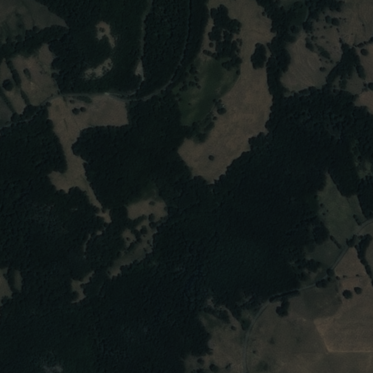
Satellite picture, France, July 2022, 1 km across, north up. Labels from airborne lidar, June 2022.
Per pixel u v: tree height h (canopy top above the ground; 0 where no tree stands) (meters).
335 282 0
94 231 13
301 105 17
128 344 10
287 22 18
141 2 16
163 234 16
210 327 0
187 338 11
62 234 11
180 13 18
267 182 25
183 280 10
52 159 15
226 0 0
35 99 0
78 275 21
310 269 13
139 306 12
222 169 0
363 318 0
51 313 18
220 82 0
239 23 13
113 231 19
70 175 0
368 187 26
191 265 8
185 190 19
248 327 0
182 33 17
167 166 16
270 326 0
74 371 9
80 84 24
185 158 0
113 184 23
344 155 21
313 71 0
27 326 20
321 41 0
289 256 14
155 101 15
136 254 0
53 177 0
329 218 0
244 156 17
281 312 19
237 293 15
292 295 19
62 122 0
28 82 0
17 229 15
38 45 20
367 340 0
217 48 9
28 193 24
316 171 16
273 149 18
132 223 17
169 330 9
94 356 20
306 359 0
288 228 22
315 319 0
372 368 0
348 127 15
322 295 0
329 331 0
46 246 29
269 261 22
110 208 17
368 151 16
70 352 15
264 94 0
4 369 22
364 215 10
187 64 9
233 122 0
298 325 0
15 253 18
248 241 18
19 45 18
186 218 19
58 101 0
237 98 0
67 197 15
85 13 13
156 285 13
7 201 29
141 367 10
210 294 8
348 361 0
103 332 11
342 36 0
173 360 17
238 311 8
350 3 0
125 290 15
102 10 13
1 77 0
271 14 16
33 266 25
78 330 16
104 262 13
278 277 21
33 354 14
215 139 0
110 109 0
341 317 0
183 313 9
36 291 14
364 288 0
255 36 0
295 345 0
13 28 0
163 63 16
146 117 19
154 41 17
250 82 0
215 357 0
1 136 6
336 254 0
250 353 0
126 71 18
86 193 8
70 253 22
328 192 0
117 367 7
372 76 0
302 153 29
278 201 31
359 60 14
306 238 18
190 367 0
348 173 18
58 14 14
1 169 23
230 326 0
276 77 20
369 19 0
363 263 12
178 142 20
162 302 18
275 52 15
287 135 26
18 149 24
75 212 14
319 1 10
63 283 6
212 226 24
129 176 24
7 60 9
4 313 29
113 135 15
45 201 19
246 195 29
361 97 0
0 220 28
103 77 15
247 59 0
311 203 0
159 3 17
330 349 0
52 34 17
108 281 20
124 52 17
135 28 16
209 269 19
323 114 15
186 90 21
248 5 0
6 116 0
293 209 23
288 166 29
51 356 12
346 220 0
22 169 21
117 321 13
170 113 14
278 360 0
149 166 20
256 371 0
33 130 20
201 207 24
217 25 17
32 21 0
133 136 21
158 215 0
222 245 20
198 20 23
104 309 11
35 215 24
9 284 14
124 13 19
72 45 23
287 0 0
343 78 12
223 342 0
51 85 0
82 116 0
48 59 0
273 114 14
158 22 19
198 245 19
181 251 12
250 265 15
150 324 8
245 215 29
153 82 9
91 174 22
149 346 12
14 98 0
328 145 20
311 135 18
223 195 21
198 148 0
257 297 19
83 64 16
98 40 7
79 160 0
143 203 0
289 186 32
